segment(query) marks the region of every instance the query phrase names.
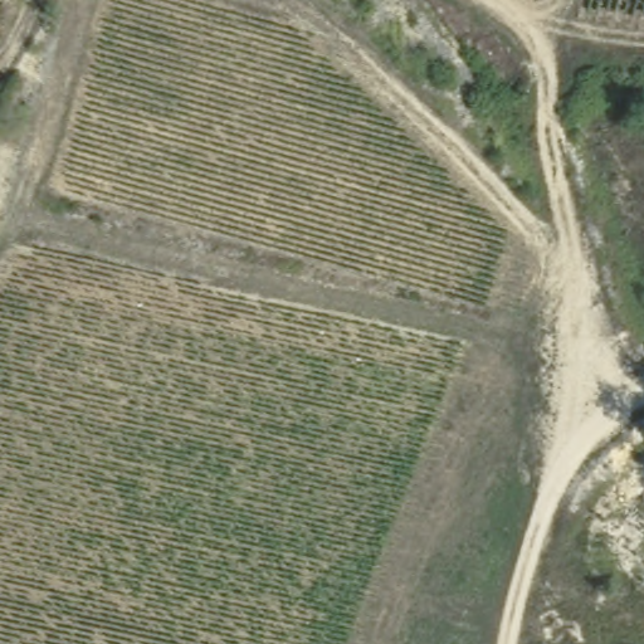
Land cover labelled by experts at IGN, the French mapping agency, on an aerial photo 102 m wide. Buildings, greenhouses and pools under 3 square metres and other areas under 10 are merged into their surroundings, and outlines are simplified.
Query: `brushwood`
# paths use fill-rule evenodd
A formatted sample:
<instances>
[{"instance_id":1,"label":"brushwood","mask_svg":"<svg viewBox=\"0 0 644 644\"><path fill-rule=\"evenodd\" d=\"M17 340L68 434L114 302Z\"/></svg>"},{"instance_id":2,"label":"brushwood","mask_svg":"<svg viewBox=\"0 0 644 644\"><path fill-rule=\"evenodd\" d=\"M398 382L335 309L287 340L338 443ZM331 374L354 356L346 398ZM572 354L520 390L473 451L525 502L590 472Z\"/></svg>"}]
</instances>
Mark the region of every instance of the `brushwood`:
<instances>
[{"instance_id":1,"label":"brushwood","mask_svg":"<svg viewBox=\"0 0 644 644\"><path fill-rule=\"evenodd\" d=\"M644 103L634 103L629 118L624 121L626 133L644 133Z\"/></svg>"},{"instance_id":2,"label":"brushwood","mask_svg":"<svg viewBox=\"0 0 644 644\"><path fill-rule=\"evenodd\" d=\"M553 43L558 70L556 116L569 141L581 153L586 148L589 123L609 108L604 96L606 83L639 86L644 93L644 48L596 45L589 40L561 35Z\"/></svg>"},{"instance_id":3,"label":"brushwood","mask_svg":"<svg viewBox=\"0 0 644 644\"><path fill-rule=\"evenodd\" d=\"M526 209L533 216L538 216L541 221L553 219L536 141L536 83L528 70L523 70L521 75L501 78L493 70L493 65L475 48L468 48L463 35L458 33L458 53L470 70L470 81L463 83L455 75L453 63L440 55L435 55L425 65L425 75L430 86L458 91L463 96L465 108L473 113L473 121L463 136L470 143L470 148L480 153L483 161L496 171L496 176L526 204Z\"/></svg>"},{"instance_id":4,"label":"brushwood","mask_svg":"<svg viewBox=\"0 0 644 644\"><path fill-rule=\"evenodd\" d=\"M28 101L18 88L20 73L0 73L0 143L13 131L20 131L25 123L35 123L35 116L28 111Z\"/></svg>"}]
</instances>

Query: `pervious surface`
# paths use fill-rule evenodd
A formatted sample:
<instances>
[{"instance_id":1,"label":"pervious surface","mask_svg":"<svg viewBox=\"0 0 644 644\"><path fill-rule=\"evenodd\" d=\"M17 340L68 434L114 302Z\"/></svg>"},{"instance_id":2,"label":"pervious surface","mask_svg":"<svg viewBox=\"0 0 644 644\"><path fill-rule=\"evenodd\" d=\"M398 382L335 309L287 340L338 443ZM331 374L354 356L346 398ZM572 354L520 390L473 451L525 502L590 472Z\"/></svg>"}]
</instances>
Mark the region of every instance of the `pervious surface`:
<instances>
[{"instance_id":1,"label":"pervious surface","mask_svg":"<svg viewBox=\"0 0 644 644\"><path fill-rule=\"evenodd\" d=\"M644 400L644 377L634 380L619 365L619 350L626 345L629 332L611 332L604 307L594 302L599 292L596 267L581 249L576 209L561 161L564 156L571 156L574 169L584 171L581 153L569 141L556 116L558 70L553 43L543 35L543 20L548 18L543 15L543 10L536 10L536 0L473 0L491 10L496 18L501 18L521 38L523 48L531 53L528 70L536 83L536 141L553 219L541 221L538 216L533 216L526 209L526 204L496 176L496 171L483 161L480 153L470 148L470 143L463 136L445 126L367 48L360 50L362 65L355 78L355 83L360 83L385 108L385 113L395 116L410 136L420 136L420 143L428 146L428 151L435 153L443 166L458 174L460 186L475 189L475 201L491 209L493 214L503 216L508 229L523 236L523 242L538 254L538 272L531 274L531 282L541 289L548 289L551 294L561 294L564 304L556 327L558 362L553 372L551 410L548 415L541 415L541 428L546 433L541 486L513 569L496 644L518 644L533 574L548 538L556 506L571 475L604 438L609 438L619 428L619 423L629 420L634 395Z\"/></svg>"}]
</instances>

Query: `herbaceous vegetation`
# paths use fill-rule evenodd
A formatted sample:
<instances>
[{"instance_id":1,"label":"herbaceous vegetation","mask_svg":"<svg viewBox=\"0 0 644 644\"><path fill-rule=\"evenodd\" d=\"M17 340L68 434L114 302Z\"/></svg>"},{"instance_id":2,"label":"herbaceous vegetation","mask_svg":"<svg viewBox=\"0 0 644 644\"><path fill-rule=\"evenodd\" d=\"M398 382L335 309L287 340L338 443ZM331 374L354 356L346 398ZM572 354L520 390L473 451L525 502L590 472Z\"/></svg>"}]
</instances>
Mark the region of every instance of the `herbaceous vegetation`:
<instances>
[{"instance_id":1,"label":"herbaceous vegetation","mask_svg":"<svg viewBox=\"0 0 644 644\"><path fill-rule=\"evenodd\" d=\"M609 438L604 438L571 475L556 506L548 538L533 574L518 644L644 644L644 400L634 395L629 420L619 423L619 428Z\"/></svg>"},{"instance_id":2,"label":"herbaceous vegetation","mask_svg":"<svg viewBox=\"0 0 644 644\"><path fill-rule=\"evenodd\" d=\"M337 264L289 254L277 247L262 247L262 242L186 226L181 221L158 224L148 219L136 219L126 226L103 229L101 211L86 216L75 211L78 201L58 196L53 189L38 191L35 186L43 174L53 133L63 113L73 63L78 60L86 35L96 33L101 38L103 18L111 13L113 0L55 0L55 28L48 35L35 23L35 10L30 8L30 0L0 0L0 73L20 73L18 88L28 101L28 111L35 116L35 123L25 123L20 131L13 131L0 143L0 259L10 247L28 244L30 239L38 239L38 247L53 247L73 254L93 254L93 249L101 249L148 267L171 269L176 272L176 277L204 277L216 287L247 289L257 294L322 304L352 314L380 317L405 327L443 332L448 335L448 340L458 342L455 355L460 357L463 367L470 367L470 372L455 372L453 382L445 385L443 400L435 410L438 425L433 433L425 433L418 463L405 488L405 498L397 506L397 518L385 536L387 546L382 546L380 551L370 584L357 604L357 616L352 621L350 639L345 644L496 644L513 569L541 486L546 433L541 428L541 415L548 415L551 410L553 372L558 362L556 327L564 304L561 294L551 294L548 289L541 289L531 282L531 274L538 272L538 254L523 242L523 236L508 229L503 254L496 264L493 287L488 289L488 302L483 307L475 307L470 302L463 302L460 314L453 317L450 312L440 314L435 309L428 309L420 302L418 292L400 289L397 282L392 282L385 272L362 274L342 269Z\"/></svg>"},{"instance_id":3,"label":"herbaceous vegetation","mask_svg":"<svg viewBox=\"0 0 644 644\"><path fill-rule=\"evenodd\" d=\"M611 332L629 332L626 345L619 350L619 365L634 380L644 377L644 133L626 133L624 121L629 118L634 103L644 103L644 93L639 86L606 83L604 96L609 108L589 123L586 148L581 153L584 171L574 169L571 156L564 156L561 161L576 209L581 249L596 267L599 292L594 302L604 307Z\"/></svg>"},{"instance_id":4,"label":"herbaceous vegetation","mask_svg":"<svg viewBox=\"0 0 644 644\"><path fill-rule=\"evenodd\" d=\"M528 70L531 53L523 48L521 38L501 18L496 18L491 10L473 0L201 0L224 10L236 10L236 3L249 3L257 8L284 13L294 28L312 33L314 55L327 58L337 73L347 73L355 78L362 65L360 50L367 48L445 126L463 136L473 121L473 113L465 108L463 96L458 91L430 86L425 75L425 65L435 55L440 55L453 63L455 75L463 83L470 81L470 70L458 53L458 33L463 35L468 48L475 48L493 65L493 70L501 78L521 75L523 70Z\"/></svg>"},{"instance_id":5,"label":"herbaceous vegetation","mask_svg":"<svg viewBox=\"0 0 644 644\"><path fill-rule=\"evenodd\" d=\"M548 18L543 20L543 35L553 43L561 35L589 40L596 45L644 48L644 13L621 13L606 8L586 10L584 0L536 0L536 10L543 10L543 15Z\"/></svg>"}]
</instances>

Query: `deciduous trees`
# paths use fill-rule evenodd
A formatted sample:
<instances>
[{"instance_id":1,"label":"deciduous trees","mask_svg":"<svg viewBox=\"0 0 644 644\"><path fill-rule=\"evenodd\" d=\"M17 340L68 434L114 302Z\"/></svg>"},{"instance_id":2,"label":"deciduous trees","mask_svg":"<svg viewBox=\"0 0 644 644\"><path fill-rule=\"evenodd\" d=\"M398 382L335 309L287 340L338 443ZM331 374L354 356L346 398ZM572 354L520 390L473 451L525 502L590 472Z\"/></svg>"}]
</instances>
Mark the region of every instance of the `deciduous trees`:
<instances>
[{"instance_id":1,"label":"deciduous trees","mask_svg":"<svg viewBox=\"0 0 644 644\"><path fill-rule=\"evenodd\" d=\"M30 0L30 8L35 10L35 23L48 35L55 28L55 0Z\"/></svg>"}]
</instances>

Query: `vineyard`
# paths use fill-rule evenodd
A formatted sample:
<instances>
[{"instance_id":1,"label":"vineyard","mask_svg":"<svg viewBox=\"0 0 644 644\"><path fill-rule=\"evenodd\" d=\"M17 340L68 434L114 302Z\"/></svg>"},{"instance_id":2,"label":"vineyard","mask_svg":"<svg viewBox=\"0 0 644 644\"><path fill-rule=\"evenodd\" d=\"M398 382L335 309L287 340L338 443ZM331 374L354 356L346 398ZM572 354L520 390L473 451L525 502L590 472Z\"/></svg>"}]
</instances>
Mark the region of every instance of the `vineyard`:
<instances>
[{"instance_id":1,"label":"vineyard","mask_svg":"<svg viewBox=\"0 0 644 644\"><path fill-rule=\"evenodd\" d=\"M30 239L28 244L10 247L0 259L0 644L345 644L350 639L352 621L357 616L357 604L370 584L380 551L382 546L387 546L385 536L397 518L397 506L405 498L405 488L418 463L425 433L433 433L438 425L435 410L443 400L445 385L453 382L455 372L470 372L470 367L463 367L460 357L455 355L458 342L448 340L448 335L443 332L405 327L380 317L352 314L322 304L257 294L247 289L216 287L204 277L176 277L176 272L171 269L148 267L101 249L93 249L93 254L73 254L53 247L38 247L38 239Z\"/></svg>"},{"instance_id":2,"label":"vineyard","mask_svg":"<svg viewBox=\"0 0 644 644\"><path fill-rule=\"evenodd\" d=\"M181 221L186 226L262 242L262 247L277 247L289 254L337 264L342 269L362 274L385 272L392 282L397 282L400 289L418 292L420 302L428 309L435 309L440 314L450 312L453 317L460 314L463 302L470 302L475 307L483 307L488 302L488 289L493 287L496 264L503 254L508 229L503 216L493 214L491 209L475 201L475 189L460 186L458 174L443 166L435 153L428 151L428 146L420 143L420 136L410 136L395 116L385 113L385 108L360 83L355 83L355 78L347 73L337 73L327 58L314 55L312 33L294 28L284 13L257 8L249 3L236 3L236 10L224 10L201 0L113 0L111 13L103 18L101 38L96 33L86 35L78 60L73 63L63 113L53 133L43 174L35 186L38 191L53 189L58 196L78 201L75 211L86 216L101 211L103 229L126 226L136 219L148 219L158 224Z\"/></svg>"},{"instance_id":3,"label":"vineyard","mask_svg":"<svg viewBox=\"0 0 644 644\"><path fill-rule=\"evenodd\" d=\"M606 8L621 13L644 13L644 0L584 0L586 10Z\"/></svg>"}]
</instances>

